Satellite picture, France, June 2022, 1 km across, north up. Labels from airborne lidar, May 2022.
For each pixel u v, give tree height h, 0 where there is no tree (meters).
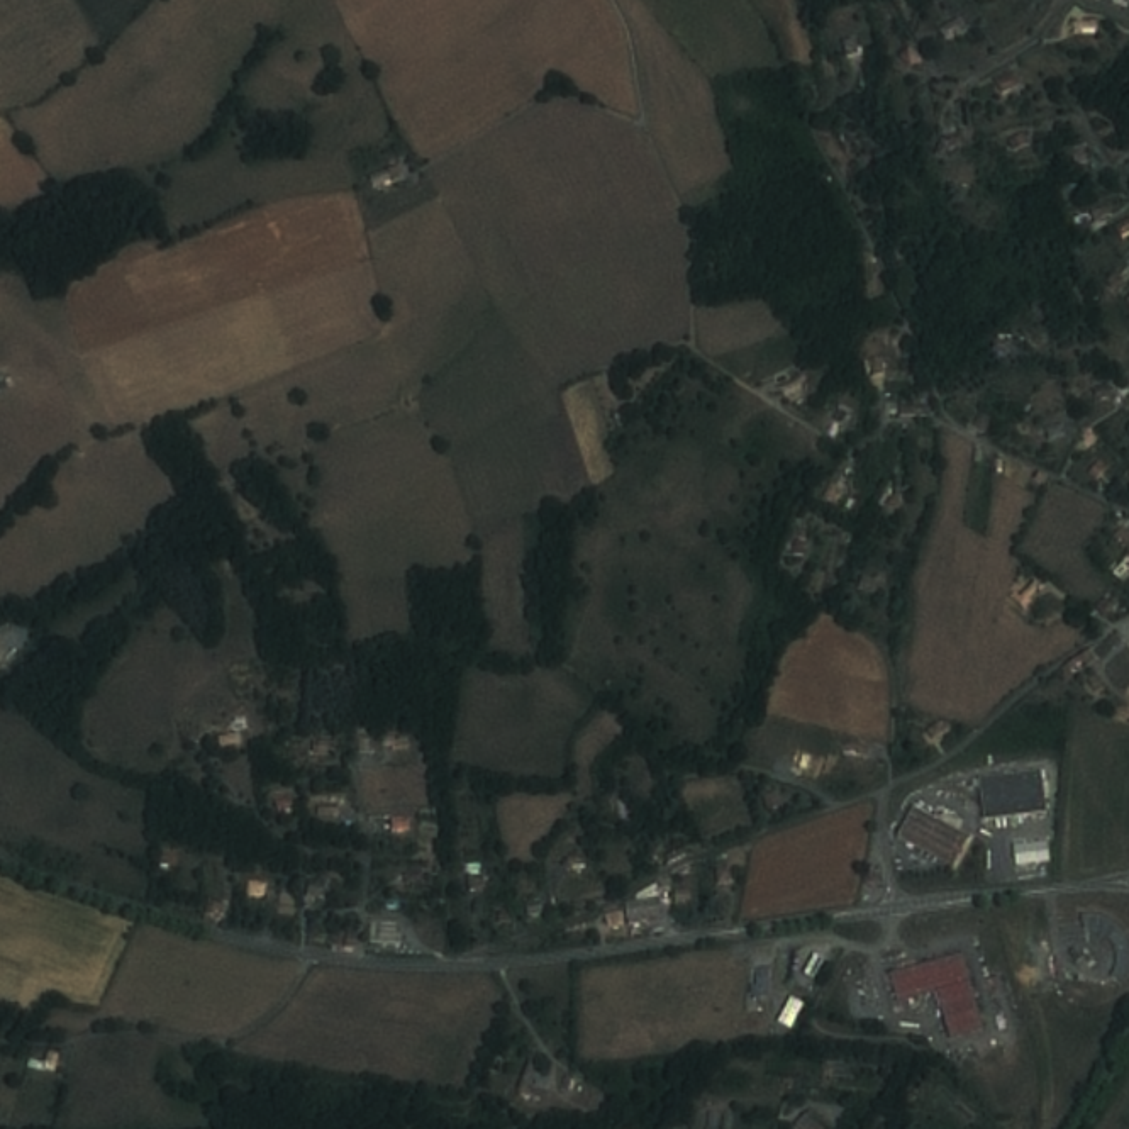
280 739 12
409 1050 0
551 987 0
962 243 10
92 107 0
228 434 0
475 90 0
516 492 0
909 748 17
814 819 0
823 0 17
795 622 10
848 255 12
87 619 0
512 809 0
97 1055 0
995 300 9
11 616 16
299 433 0
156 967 0
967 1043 0
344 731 6
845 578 11
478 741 0
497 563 0
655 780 8
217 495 20
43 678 18
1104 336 10
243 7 0
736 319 0
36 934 0
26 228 21
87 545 0
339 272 0
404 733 15
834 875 0
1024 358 9
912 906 0
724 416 0
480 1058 12
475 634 11
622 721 13
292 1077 11
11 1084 14
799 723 0
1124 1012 17
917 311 8
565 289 0
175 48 0
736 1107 12
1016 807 0
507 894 7
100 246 19
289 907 0
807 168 12
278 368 0
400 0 0
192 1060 15
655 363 14
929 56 14
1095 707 8
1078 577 0
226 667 0
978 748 0
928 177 9
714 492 0
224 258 0
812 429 0
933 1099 0
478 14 0
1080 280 20
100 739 0
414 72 0
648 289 0
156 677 0
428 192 0
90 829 0
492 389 0
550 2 0
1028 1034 0
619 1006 0
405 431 0
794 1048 14
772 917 0
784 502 10
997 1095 0
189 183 0
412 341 0
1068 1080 0
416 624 11
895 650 8
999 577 0
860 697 0
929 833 0
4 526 11
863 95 10
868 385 11
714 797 0
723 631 0
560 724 0
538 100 6
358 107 0
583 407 0
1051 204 18
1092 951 0
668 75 0
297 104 0
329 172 0
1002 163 8
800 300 7
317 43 0
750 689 10
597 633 0
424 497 0
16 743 0
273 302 0
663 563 0
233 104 13
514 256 0
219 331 0
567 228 0
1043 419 6
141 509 0
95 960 0
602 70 0
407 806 0
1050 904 0
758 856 0
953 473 0
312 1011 0
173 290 0
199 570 19
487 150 0
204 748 11
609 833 8
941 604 0
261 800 10
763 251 13
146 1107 0
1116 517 6
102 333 0
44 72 0
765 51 0
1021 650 0
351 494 0
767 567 8
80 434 0
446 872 7
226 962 0
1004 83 0
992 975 0
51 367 0
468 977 0
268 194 0
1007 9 0
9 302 0
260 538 12
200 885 7
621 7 0
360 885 8
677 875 8
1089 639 11
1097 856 0
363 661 15
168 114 0
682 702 0
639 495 0
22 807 0
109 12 0
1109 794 0
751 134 8
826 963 8
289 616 12
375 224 0
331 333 0
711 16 0
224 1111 17
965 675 0
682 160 0
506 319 0
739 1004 0
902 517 11
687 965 0
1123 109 16
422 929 0
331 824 8
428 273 0
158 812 20
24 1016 14
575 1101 0
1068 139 14
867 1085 0
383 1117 14
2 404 0
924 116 8
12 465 0
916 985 0
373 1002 0
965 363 11
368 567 0
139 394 0
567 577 12
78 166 0
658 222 0
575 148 0
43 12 0
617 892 18
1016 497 0
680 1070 19
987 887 0
